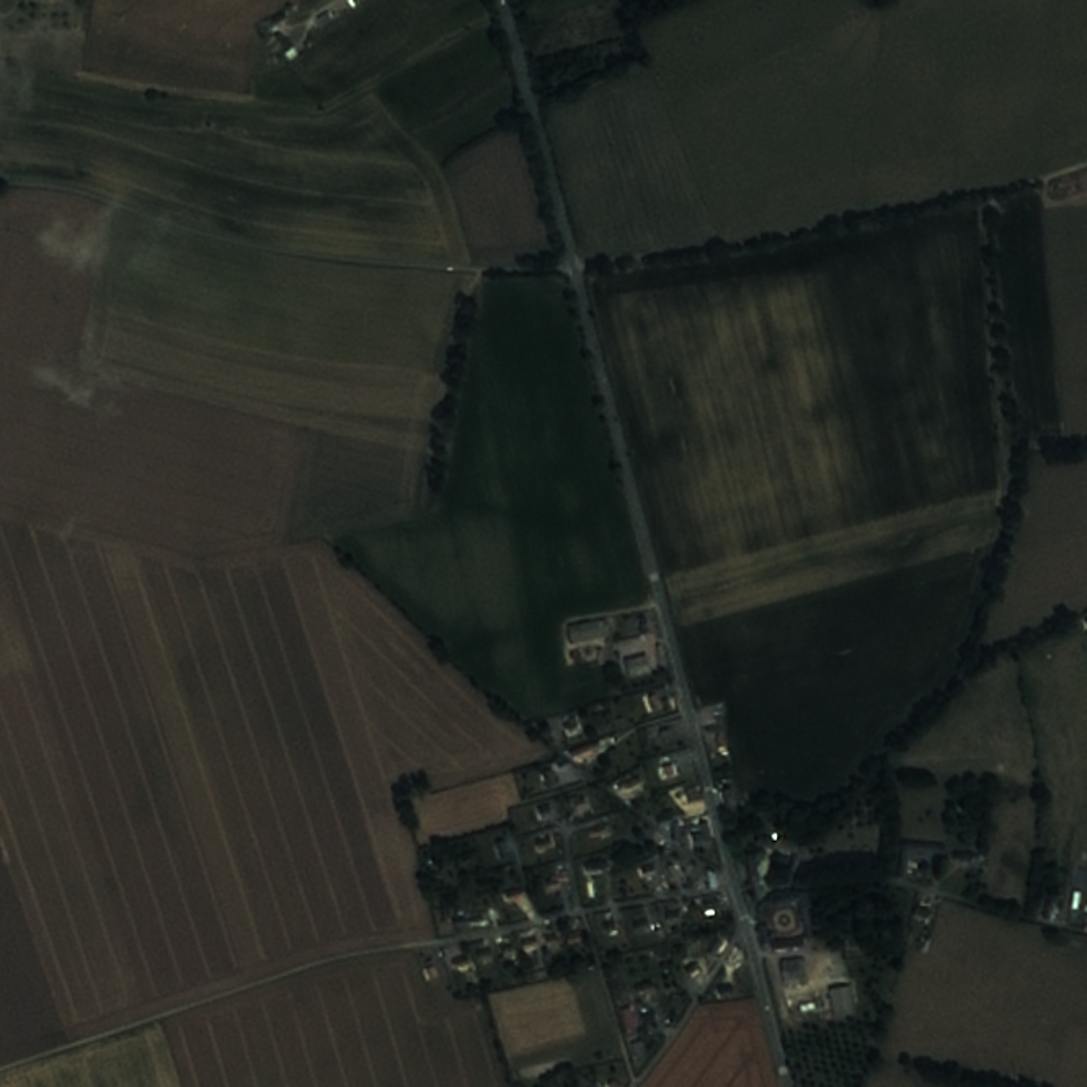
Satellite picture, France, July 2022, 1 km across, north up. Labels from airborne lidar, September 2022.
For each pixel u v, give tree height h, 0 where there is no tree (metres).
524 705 0
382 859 0
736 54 0
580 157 0
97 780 0
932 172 0
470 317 15
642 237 0
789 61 0
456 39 0
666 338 0
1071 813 0
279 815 0
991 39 0
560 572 0
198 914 0
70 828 0
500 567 0
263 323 0
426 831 0
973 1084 20
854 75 0
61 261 0
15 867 0
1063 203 0
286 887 0
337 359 0
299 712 0
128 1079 0
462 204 0
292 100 0
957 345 0
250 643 0
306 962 0
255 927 0
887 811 16
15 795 0
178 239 0
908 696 0
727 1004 0
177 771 0
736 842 16
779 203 0
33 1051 0
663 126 0
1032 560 0
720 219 0
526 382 0
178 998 0
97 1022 0
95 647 0
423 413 0
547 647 0
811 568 0
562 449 0
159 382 0
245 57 0
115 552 0
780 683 0
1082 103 0
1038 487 0
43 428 0
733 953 0
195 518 0
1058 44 0
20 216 0
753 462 0
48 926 0
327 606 0
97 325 0
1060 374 0
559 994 0
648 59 14
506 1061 11
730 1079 0
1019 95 0
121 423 0
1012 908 14
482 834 6
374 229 0
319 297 0
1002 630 0
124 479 0
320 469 0
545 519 0
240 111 0
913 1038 0
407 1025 0
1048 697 0
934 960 0
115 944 0
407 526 0
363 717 0
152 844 0
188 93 0
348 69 0
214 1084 0
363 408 0
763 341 0
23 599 0
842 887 11
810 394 0
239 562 0
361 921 0
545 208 15
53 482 0
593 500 0
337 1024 0
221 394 0
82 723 0
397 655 0
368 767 0
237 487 0
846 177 0
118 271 0
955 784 12
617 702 6
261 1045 0
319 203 0
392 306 0
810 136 0
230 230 0
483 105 0
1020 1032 0
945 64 0
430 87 0
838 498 0
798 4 0
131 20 0
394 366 0
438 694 0
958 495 0
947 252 0
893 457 0
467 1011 0
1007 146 0
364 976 0
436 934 0
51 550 0
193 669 0
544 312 0
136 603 0
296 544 0
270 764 0
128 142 0
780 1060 0
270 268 0
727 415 0
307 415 0
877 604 0
